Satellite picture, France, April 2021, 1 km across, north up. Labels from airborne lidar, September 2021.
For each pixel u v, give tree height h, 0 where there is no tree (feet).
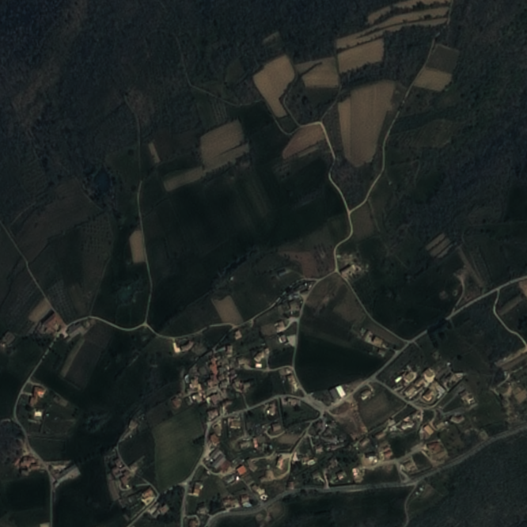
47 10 37
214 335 0
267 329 0
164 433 0
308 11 73
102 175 0
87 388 0
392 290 0
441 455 0
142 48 43
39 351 0
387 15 24
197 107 20
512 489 38
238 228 0
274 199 0
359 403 0
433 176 0
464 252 0
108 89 34
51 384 0
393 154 0
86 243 21
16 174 22
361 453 0
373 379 0
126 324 0
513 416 31
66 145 61
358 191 22
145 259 0
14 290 0
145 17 43
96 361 0
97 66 61
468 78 32
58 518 0
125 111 41
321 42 30
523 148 33
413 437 0
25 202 35
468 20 36
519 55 37
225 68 42
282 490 0
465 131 27
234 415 0
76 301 0
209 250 0
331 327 0
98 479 0
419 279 0
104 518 0
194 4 46
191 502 0
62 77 58
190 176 0
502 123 61
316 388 0
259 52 33
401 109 27
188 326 0
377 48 0
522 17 35
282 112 0
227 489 0
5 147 40
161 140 0
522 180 38
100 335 0
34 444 0
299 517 43
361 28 23
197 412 0
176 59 47
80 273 0
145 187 0
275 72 0
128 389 0
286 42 40
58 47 41
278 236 0
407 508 0
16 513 0
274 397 0
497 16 25
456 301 0
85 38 64
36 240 0
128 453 0
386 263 29
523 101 58
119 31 49
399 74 36
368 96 0
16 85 38
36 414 0
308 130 0
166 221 0
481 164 42
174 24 57
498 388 24
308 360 0
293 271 0
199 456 0
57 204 0
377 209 0
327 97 0
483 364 0
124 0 51
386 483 0
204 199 0
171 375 0
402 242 27
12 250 0
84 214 0
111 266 0
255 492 27
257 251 32
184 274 0
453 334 0
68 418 0
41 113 18
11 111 26
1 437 31
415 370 18
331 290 0
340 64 0
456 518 19
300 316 0
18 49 54
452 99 0
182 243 0
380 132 0
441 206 44
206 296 0
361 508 0
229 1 34
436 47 0
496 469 19
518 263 0
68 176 21
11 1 72
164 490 0
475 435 20
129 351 0
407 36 41
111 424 0
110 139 21
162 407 0
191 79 26
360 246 0
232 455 0
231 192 0
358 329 0
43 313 0
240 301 0
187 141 0
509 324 0
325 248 26
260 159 0
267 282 0
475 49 28
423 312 0
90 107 32
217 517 0
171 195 0
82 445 0
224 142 0
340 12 48
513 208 0
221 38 32
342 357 0
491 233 26
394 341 0
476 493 42
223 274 32
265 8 38
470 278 0
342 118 0
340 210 0
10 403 0
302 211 0
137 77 40
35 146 37
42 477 0
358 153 0
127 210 0
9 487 0
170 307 0
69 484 0
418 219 32
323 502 0
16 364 0
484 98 37
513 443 25
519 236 0
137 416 0
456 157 44
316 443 19
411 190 0
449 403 0
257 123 0
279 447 0
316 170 0
